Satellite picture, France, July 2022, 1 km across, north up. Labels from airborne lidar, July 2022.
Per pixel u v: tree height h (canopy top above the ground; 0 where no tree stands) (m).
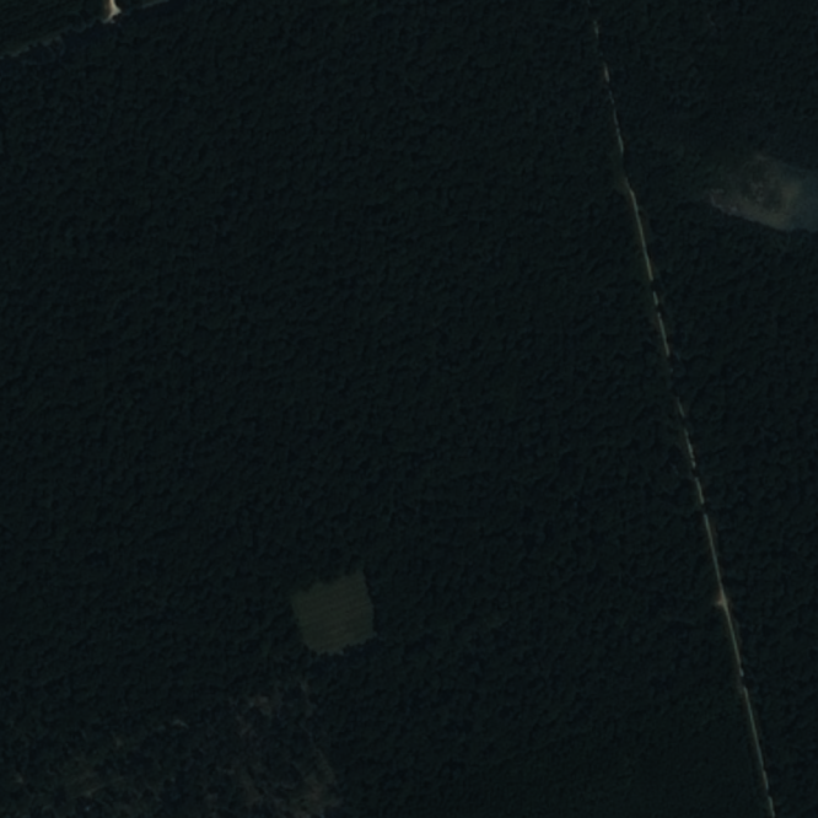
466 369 23
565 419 28
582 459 28
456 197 24
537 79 16
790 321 24
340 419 24
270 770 23
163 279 26
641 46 15
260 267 20
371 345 25
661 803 13
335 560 23
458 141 25
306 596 0
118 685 21
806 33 24
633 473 28
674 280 21
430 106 22
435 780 24
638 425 28
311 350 25
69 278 18
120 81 24
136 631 25
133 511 27
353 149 23
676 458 26
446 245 22
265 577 20
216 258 22
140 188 22
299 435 26
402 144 24
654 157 15
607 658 24
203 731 19
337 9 24
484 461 28
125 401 25
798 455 24
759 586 30
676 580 22
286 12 23
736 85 21
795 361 27
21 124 21
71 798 25
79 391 22
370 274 27
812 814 22
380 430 22
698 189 6
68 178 22
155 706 24
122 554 26
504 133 25
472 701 28
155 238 25
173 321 22
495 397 23
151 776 28
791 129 14
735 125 20
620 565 28
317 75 26
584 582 25
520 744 24
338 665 19
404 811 20
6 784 23
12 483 25
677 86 26
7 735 23
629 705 15
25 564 22
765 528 29
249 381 24
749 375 21
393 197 22
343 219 25
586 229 24
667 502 27
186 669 21
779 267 23
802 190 0
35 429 26
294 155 21
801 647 27
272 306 28
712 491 20
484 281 26
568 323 26
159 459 25
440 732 26
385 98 24
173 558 22
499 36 21
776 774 24
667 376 25
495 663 26
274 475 24
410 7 22
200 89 20
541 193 22
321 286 18
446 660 25
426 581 20
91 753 28
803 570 27
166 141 30
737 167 0
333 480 26
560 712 25
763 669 25
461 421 26
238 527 26
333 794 22
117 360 21
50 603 19
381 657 24
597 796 18
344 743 27
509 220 21
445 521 25
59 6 7
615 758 19
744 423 24
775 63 25
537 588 24
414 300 24
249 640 14
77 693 25
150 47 26
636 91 18
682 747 16
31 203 19
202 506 25
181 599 25
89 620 20
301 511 25
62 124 28
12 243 21
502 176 23
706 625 19
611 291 24
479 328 26
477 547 27
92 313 21
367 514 23
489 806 21
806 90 23
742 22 21
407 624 25
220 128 25
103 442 28
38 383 21
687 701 22
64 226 27
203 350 25
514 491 29
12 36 10
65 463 24
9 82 20
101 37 27
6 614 27
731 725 14
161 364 25
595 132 20
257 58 20
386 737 29
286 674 19
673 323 22
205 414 28
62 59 26
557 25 19
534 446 26
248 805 25
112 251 24
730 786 13
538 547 30
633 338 27
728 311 20
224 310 22
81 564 28
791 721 9
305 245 26
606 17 16
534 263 24
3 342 24
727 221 15
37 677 26
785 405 27
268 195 18
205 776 25
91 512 24
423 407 27
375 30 22
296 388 22
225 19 22
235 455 26
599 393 26
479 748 27
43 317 22
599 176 20
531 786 19
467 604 30
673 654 20
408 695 11
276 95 21
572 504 25
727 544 20
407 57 19
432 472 24
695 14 24
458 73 24
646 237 0
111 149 23
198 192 24
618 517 27
